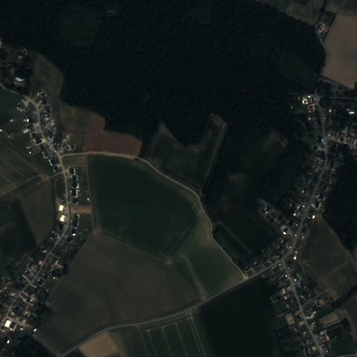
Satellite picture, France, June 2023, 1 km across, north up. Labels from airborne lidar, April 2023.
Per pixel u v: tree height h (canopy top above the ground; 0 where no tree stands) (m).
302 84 0
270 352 0
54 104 0
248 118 17
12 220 0
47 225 0
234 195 0
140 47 19
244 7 21
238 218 0
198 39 20
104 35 14
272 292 0
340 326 0
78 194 0
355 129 15
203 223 0
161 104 14
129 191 0
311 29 13
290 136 16
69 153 0
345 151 18
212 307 0
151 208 0
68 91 13
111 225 0
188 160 0
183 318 0
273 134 0
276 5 0
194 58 19
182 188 0
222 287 0
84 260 0
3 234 0
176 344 0
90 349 0
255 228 0
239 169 10
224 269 0
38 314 14
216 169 15
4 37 16
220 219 0
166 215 0
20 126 0
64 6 19
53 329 0
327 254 0
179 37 23
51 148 0
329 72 0
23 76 16
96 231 0
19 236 0
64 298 0
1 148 0
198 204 0
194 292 0
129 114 15
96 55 19
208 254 0
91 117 0
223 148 14
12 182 0
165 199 0
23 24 18
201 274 0
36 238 0
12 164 0
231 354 0
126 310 0
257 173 0
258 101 13
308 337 0
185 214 0
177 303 0
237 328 0
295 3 0
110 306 0
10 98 0
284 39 17
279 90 15
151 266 0
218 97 17
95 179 0
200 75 20
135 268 0
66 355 0
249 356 0
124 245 0
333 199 19
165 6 17
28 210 0
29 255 0
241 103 17
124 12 19
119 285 0
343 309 0
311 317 6
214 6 21
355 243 18
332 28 0
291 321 0
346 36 0
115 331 0
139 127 12
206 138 0
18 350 15
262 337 0
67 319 0
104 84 16
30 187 0
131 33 21
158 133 0
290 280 0
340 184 14
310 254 0
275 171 7
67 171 0
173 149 0
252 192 0
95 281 0
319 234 0
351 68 0
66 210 0
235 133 21
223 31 13
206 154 0
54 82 0
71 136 0
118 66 17
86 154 0
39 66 0
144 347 0
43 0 22
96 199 0
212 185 21
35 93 0
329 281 0
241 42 19
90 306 0
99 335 0
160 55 17
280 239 0
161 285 0
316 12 0
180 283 0
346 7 0
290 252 0
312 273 0
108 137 0
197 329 0
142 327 0
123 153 0
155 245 0
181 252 0
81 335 0
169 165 0
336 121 12
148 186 0
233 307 0
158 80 18
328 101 16
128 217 0
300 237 0
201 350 0
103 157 0
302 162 7
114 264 0
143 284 0
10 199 0
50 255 0
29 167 0
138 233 0
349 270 0
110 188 0
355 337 0
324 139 0
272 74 19
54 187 0
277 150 0
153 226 0
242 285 0
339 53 0
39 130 0
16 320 0
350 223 23
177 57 20
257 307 0
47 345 0
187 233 0
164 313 0
